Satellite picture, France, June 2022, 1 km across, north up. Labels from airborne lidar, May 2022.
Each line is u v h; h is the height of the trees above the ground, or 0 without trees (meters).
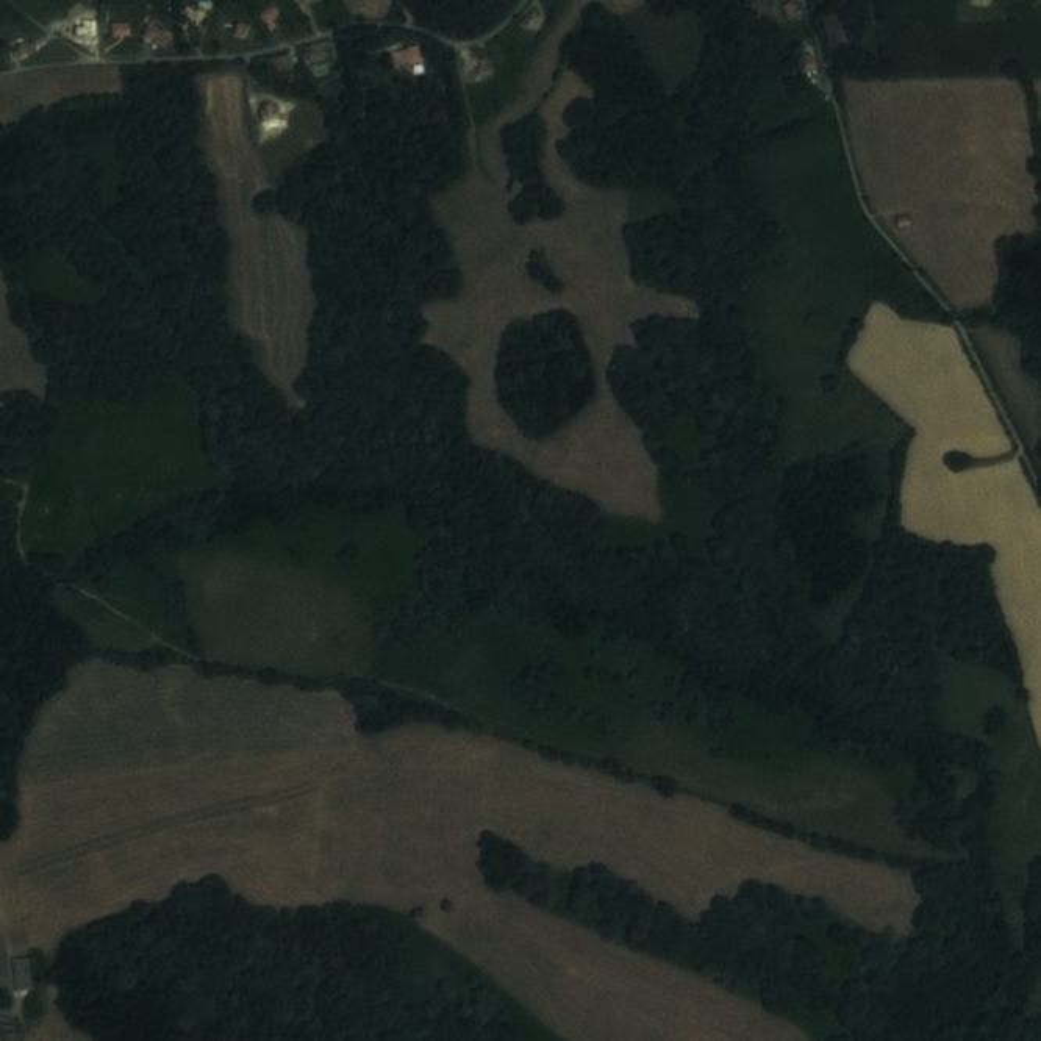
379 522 0
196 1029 12
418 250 17
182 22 10
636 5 0
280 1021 22
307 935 10
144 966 18
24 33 0
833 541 21
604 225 0
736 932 20
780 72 0
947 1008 20
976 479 0
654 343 21
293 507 7
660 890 0
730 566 14
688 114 13
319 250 19
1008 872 0
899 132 0
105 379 14
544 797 0
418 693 0
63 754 0
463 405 7
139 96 8
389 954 8
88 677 0
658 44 0
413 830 0
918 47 0
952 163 0
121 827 0
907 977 22
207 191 18
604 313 0
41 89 0
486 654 0
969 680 0
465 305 0
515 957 0
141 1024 27
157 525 12
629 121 22
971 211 0
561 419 13
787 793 0
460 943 0
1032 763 0
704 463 13
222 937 14
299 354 0
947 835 24
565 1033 0
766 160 0
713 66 24
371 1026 12
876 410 0
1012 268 7
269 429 18
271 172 0
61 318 12
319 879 0
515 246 0
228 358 22
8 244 18
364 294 23
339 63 11
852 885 0
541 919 0
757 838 0
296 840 0
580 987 0
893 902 0
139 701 0
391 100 13
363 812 0
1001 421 6
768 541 21
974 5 0
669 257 22
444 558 6
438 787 0
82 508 0
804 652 18
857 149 0
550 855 0
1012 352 0
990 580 20
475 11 10
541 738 0
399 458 20
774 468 22
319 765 0
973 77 0
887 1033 17
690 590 24
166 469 0
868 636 20
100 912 0
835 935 18
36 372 0
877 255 0
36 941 0
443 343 0
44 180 9
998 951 19
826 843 11
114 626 0
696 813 0
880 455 0
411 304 11
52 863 0
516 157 16
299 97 9
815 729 6
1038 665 0
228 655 0
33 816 0
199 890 15
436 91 14
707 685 17
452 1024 19
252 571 0
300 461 19
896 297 0
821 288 0
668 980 0
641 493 0
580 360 15
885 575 13
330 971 12
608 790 0
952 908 14
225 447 21
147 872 0
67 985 15
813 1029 0
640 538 0
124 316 11
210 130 0
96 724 0
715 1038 0
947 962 19
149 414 0
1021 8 0
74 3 0
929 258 0
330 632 0
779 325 0
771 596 19
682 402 20
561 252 0
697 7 19
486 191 0
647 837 0
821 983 27
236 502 20
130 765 0
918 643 25
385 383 25
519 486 16
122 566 0
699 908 0
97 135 0
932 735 22
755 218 19
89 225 10
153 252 18
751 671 23
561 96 0
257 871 0
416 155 9
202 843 0
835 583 19
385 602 0
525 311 0
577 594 27
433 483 20
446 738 0
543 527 14
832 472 22
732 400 20
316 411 17
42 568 22
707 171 22
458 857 0
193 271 19
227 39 0
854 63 23
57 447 0
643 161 23
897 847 0
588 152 23
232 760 0
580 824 0
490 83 0
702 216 14
